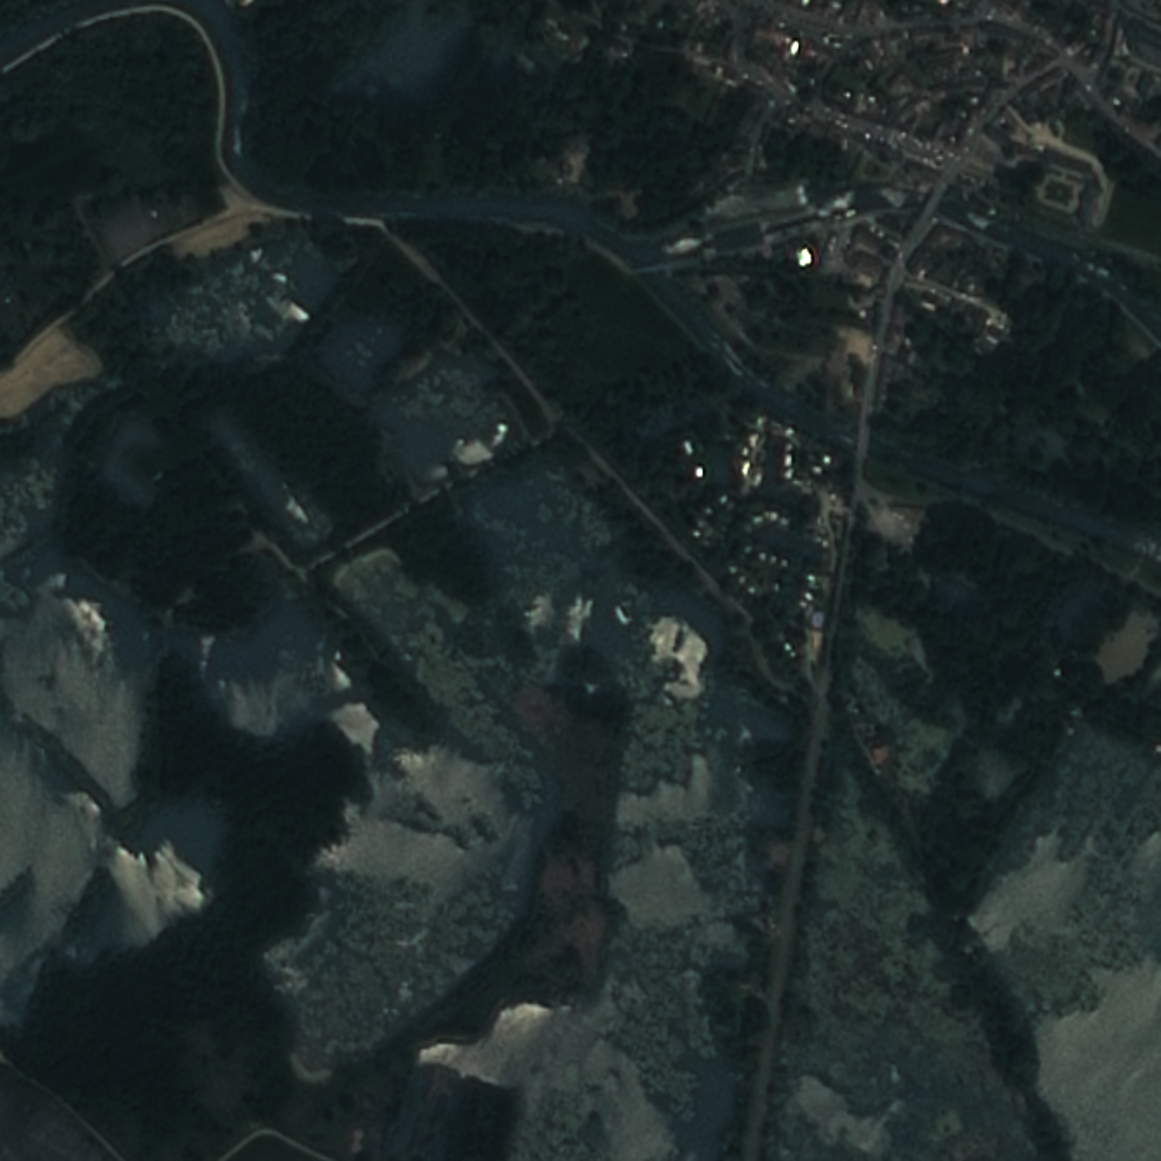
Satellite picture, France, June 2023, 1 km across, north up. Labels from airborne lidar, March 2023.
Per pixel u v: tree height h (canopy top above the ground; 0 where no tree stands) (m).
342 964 0
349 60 12
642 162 18
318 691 0
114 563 11
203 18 0
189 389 13
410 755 0
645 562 15
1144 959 0
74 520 8
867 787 10
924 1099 0
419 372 0
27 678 0
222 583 11
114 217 0
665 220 16
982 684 15
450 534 9
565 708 11
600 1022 0
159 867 0
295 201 0
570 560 0
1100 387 29
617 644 0
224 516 6
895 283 0
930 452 16
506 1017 0
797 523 11
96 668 0
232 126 0
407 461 0
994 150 0
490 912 0
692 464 0
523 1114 0
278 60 24
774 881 13
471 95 32
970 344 8
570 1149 0
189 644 0
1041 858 0
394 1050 8
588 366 0
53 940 0
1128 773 0
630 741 0
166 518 11
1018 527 0
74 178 0
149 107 6
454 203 0
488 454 0
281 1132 0
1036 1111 8
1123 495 30
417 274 0
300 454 11
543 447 9
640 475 22
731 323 13
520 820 0
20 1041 10
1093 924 0
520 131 16
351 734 0
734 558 10
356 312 12
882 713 0
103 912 0
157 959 9
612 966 0
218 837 0
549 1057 0
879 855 0
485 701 0
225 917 9
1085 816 0
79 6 0
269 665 0
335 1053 0
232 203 0
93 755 0
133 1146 0
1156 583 0
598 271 0
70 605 0
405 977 0
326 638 0
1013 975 0
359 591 0
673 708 0
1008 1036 13
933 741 0
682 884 0
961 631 17
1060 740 6
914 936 6
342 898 0
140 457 0
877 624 0
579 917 9
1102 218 0
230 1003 14
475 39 17
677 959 0
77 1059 9
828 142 6
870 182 0
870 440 0
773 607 6
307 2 18
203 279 0
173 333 0
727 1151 14
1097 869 0
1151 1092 0
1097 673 20
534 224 0
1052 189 0
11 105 14
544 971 0
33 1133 9
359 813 0
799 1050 0
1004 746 15
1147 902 0
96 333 11
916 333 11
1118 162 21
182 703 9
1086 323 24
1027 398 19
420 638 0
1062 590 18
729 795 0
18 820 0
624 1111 0
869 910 0
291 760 12
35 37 0
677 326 0
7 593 0
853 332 0
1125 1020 0
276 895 12
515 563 0
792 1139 0
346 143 31
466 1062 0
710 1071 0
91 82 7
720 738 0
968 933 12
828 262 0
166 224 0
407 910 0
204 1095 0
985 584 28
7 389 0
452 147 12
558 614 0
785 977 0
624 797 0
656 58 0
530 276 9
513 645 7
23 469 0
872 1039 0
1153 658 8
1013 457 8
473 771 0
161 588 12
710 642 0
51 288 19
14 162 0
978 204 6
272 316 0
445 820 0
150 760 0
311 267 0
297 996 0
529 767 0
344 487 12
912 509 0
